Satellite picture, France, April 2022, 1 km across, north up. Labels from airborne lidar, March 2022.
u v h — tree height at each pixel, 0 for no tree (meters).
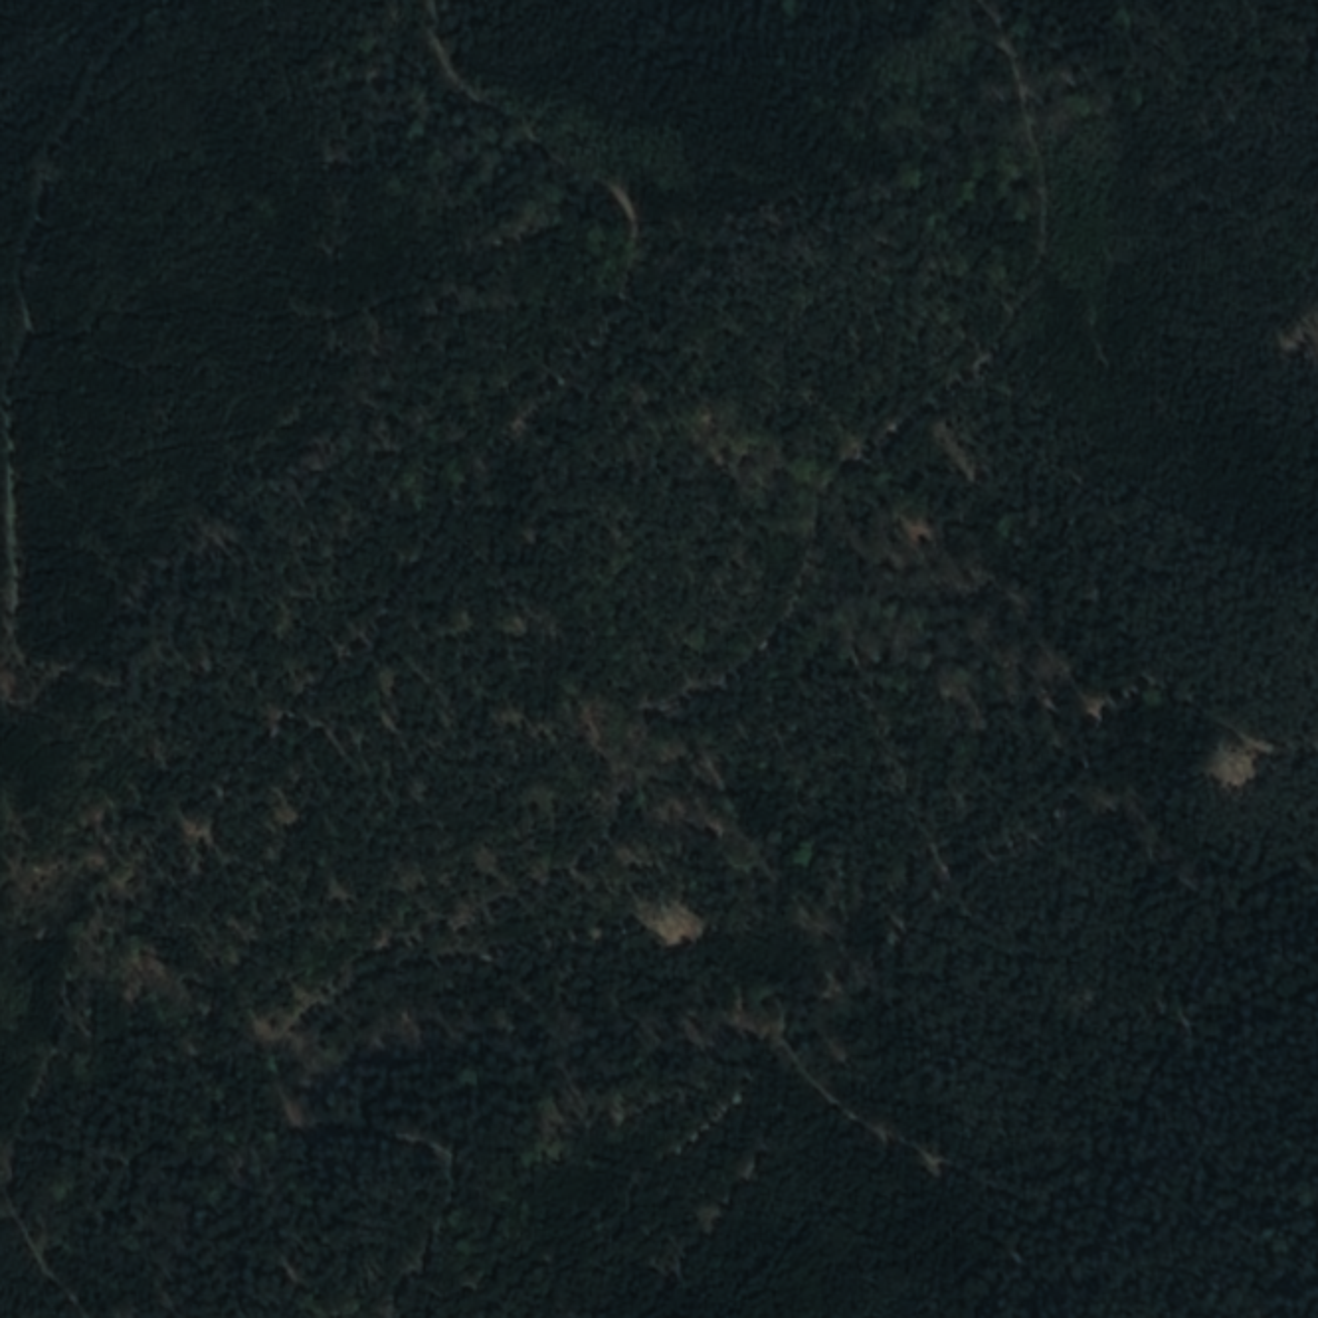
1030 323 17
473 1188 21
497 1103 28
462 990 24
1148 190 19
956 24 25
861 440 26
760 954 8
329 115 13
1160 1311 27
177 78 16
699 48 23
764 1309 31
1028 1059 22
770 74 19
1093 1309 16
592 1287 25
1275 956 27
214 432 7
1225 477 11
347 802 26
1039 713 29
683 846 27
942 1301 27
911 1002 27
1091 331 17
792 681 23
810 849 19
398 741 12
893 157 22
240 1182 30
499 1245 27
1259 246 25
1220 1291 27
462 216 7
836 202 14
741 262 24
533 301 13
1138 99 23
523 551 16
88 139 17
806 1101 15
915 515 30
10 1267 26
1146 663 31
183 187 17
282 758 26
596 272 17
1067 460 12
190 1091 27
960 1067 27
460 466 23
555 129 19
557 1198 10
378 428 24
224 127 19
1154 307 22
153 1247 31
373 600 24
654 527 23
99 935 27
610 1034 23
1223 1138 32
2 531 11
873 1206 26
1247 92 32
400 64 25
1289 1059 30
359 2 21
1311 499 21
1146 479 11
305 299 13
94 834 16
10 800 9
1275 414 29
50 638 11
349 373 10
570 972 25
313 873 19
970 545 25
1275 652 28
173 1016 29
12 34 16
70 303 13
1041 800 23
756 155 17
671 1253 24
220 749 26
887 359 25
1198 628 27
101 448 7
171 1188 32
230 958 28
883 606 33
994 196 30
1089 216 23
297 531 28
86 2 16
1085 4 19
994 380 26
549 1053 35
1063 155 17
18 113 10
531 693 23
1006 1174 19
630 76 23
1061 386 11
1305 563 17
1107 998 26
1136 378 17
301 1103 28
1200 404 24
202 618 25
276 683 24
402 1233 26
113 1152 31
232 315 9
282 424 10
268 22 18
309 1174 28
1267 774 13
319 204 15
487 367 14
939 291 9
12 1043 15
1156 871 7
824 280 24
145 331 9
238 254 9
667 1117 13
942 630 16
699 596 22
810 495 22
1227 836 31
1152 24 31
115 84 14
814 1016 31
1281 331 28
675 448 25
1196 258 22
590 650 25
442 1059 24
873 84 27
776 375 27
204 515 6
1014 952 36
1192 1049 33
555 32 23
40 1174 22
